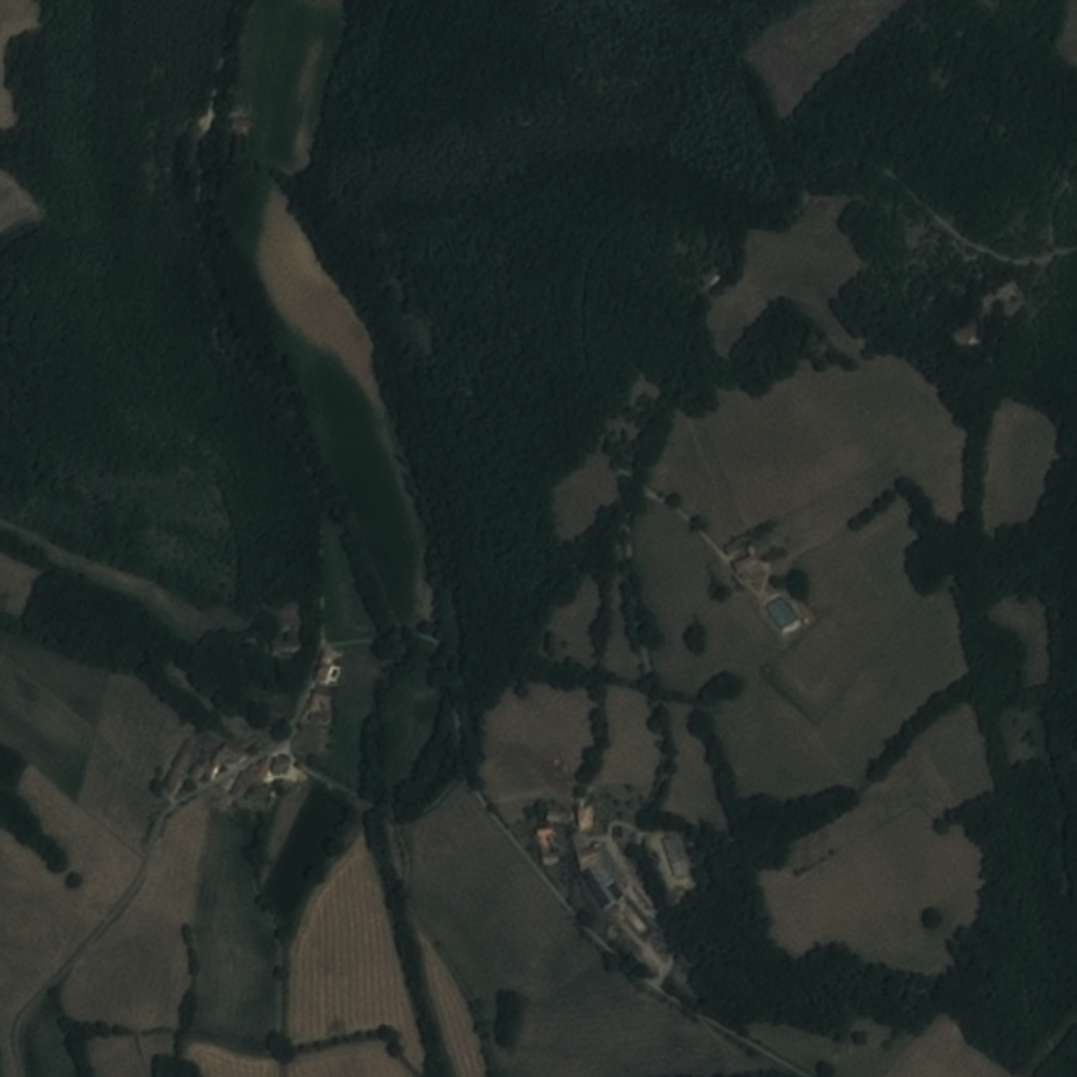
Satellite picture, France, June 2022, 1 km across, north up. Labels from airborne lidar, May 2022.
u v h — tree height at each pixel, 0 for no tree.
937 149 10
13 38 7
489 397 14
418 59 10
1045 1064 11
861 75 10
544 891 0
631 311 10
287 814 0
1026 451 0
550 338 9
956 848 0
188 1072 15
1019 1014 11
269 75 0
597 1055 0
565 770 0
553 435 11
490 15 9
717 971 14
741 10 14
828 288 0
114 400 9
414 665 21
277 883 0
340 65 11
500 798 0
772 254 0
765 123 11
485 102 10
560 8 8
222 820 0
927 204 8
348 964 0
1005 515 0
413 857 0
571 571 13
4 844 0
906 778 0
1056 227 7
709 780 0
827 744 0
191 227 18
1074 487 16
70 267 6
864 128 9
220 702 18
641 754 0
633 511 12
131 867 0
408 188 18
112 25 10
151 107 14
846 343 0
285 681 18
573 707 0
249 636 11
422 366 9
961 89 6
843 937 0
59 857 11
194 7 13
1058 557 16
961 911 0
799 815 16
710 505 0
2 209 0
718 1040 0
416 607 0
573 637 0
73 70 11
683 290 11
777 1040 0
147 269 9
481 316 10
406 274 14
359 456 0
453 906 0
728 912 16
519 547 11
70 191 7
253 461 13
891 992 19
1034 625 0
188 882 0
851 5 0
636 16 12
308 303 0
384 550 0
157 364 10
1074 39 0
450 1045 0
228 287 16
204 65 16
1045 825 15
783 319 12
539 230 11
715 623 0
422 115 10
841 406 0
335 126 16
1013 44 10
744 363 12
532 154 10
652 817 14
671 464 0
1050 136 9
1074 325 13
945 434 0
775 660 0
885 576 0
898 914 0
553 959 0
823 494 0
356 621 0
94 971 0
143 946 0
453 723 8
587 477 0
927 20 6
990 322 8
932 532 17
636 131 18
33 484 7
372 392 0
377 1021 0
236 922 0
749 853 17
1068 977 10
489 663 16
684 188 16
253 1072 0
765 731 0
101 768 0
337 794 0
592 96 7
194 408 11
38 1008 0
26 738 0
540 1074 0
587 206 11
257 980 0
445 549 22
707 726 15
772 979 17
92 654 17
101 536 8
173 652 20
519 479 11
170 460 10
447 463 15
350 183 10
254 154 0
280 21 0
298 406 19
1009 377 10
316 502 18
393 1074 0
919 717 10
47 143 7
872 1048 0
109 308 6
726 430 0
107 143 9
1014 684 10
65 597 20
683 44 17
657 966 0
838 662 0
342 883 0
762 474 0
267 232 0
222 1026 0
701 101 17
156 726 0
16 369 14
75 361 11
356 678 0
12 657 0
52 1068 0
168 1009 0
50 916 0
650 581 0
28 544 8
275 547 15
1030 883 8
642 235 9
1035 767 16
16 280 12
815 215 0
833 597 0
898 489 9
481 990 0
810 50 0
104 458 9
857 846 0
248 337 15
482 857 0
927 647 0
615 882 0
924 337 14
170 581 11
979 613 17
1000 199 9
